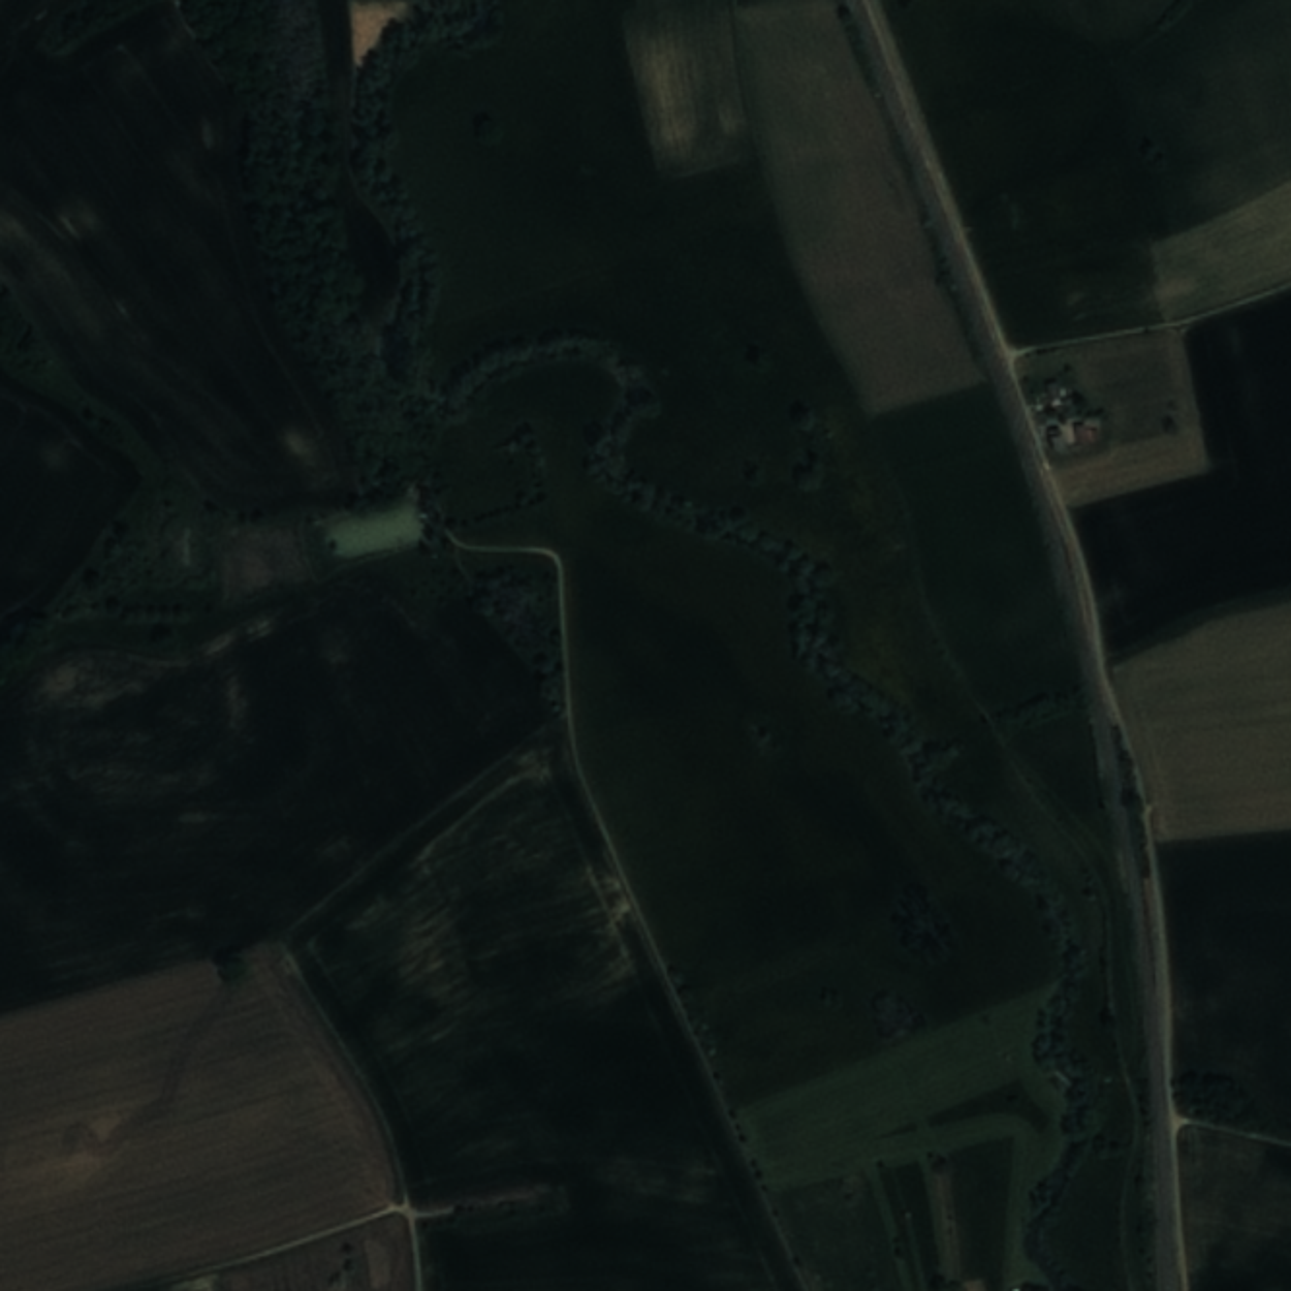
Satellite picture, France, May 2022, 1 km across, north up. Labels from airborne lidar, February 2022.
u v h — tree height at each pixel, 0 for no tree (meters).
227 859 0
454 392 20
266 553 0
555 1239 0
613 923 0
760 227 0
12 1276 0
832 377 0
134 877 0
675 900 0
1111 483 0
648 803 0
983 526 0
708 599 0
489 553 0
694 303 0
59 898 0
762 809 0
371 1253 0
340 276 25
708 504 0
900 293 0
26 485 0
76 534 0
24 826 0
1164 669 0
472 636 0
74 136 0
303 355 7
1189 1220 0
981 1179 0
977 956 0
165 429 0
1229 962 0
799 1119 0
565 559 0
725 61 0
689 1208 0
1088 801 0
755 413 0
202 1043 0
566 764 0
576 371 0
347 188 0
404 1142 0
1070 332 0
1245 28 0
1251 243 0
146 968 0
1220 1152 0
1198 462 0
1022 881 17
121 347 0
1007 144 0
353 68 0
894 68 0
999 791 0
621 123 0
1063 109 0
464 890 0
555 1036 0
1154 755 0
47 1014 0
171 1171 0
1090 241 0
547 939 0
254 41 18
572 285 0
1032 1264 0
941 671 0
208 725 0
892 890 0
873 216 0
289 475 0
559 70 0
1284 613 0
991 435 0
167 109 0
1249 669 0
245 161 13
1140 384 0
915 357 0
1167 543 0
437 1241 0
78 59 0
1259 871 0
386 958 0
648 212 0
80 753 0
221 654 0
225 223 0
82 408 0
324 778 0
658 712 0
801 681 0
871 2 0
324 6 0
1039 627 0
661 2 0
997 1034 0
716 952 0
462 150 0
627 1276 0
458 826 0
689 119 0
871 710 14
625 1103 0
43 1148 0
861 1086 0
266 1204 0
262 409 0
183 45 0
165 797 0
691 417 0
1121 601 0
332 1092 0
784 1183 0
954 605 0
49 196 0
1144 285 0
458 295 0
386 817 0
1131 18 0
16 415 0
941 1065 0
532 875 0
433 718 0
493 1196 0
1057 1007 9
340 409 15
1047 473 0
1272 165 0
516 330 0
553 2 0
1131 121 0
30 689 0
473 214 0
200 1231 0
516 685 0
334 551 8
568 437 0
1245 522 0
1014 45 0
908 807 0
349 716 0
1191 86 0
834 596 0
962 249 0
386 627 0
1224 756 0
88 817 0
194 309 0
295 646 0
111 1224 0
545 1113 0
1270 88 0
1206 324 0
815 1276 0
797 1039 0
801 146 0
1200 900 0
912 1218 0
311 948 0
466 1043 0
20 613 0
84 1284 0
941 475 0
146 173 0
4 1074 0
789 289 0
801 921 0
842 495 0
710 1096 0
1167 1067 0
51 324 0
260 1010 0
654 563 0
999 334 0
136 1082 0
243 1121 0
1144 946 0
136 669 0
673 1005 0
